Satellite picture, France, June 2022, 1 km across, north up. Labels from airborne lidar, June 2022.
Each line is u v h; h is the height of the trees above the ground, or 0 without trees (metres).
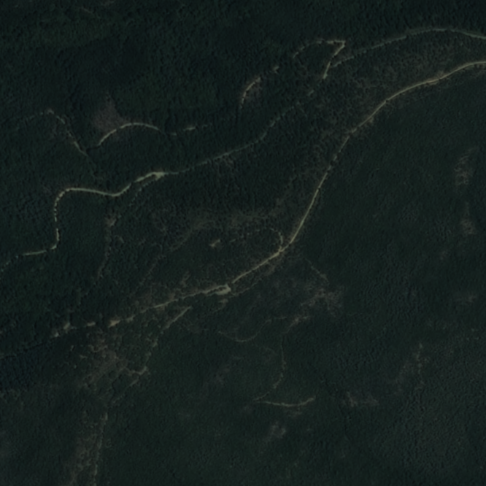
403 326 9
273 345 7
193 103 10
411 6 11
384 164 11
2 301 13
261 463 6
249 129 6
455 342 10
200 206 11
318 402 6
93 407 12
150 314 10
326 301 8
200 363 12
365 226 10
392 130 7
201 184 10
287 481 7
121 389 14
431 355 6
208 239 12
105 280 12
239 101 13
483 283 7
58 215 11
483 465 14
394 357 7
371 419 7
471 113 7
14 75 8
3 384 18
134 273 10
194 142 8
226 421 7
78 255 11
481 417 10
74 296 15
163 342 11
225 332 10
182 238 7
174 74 15
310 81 9
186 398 10
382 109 8
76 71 10
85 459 7
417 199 7
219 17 6
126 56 16
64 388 7
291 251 6
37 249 9
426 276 6
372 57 8
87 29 14
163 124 14
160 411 8
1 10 15
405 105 7
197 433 7
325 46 9
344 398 7
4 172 7
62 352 13
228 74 13
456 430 14
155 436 8
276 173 11
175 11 14
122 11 16
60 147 11
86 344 7
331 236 10
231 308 8
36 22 7
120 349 9
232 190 12
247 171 9
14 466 6
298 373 6
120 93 10
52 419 10
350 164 10
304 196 7
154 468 10
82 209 11
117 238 9
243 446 6
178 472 14
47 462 8
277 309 7
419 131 11
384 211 8
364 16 14
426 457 15
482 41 10
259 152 9
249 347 7
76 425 9
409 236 12
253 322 6
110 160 12
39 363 15
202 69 13
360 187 9
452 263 8
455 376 13
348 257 7
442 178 10
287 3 13
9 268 8
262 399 9
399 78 7
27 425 9
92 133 14
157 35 10
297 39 9
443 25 10
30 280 8
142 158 8
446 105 10
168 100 14
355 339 12
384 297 10
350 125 9
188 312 8
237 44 11
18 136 11
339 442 12
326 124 12
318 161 9
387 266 13
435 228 7
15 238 9
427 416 15
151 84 13
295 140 11
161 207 8
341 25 9
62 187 8
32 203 16
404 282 16
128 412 12
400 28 17
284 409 7
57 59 12
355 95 7
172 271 10
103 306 10
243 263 8
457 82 9
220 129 11
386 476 5
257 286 9
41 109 8
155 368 9
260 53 7
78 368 11
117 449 9
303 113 7
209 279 8
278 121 8
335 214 8
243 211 6
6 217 9
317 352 9
